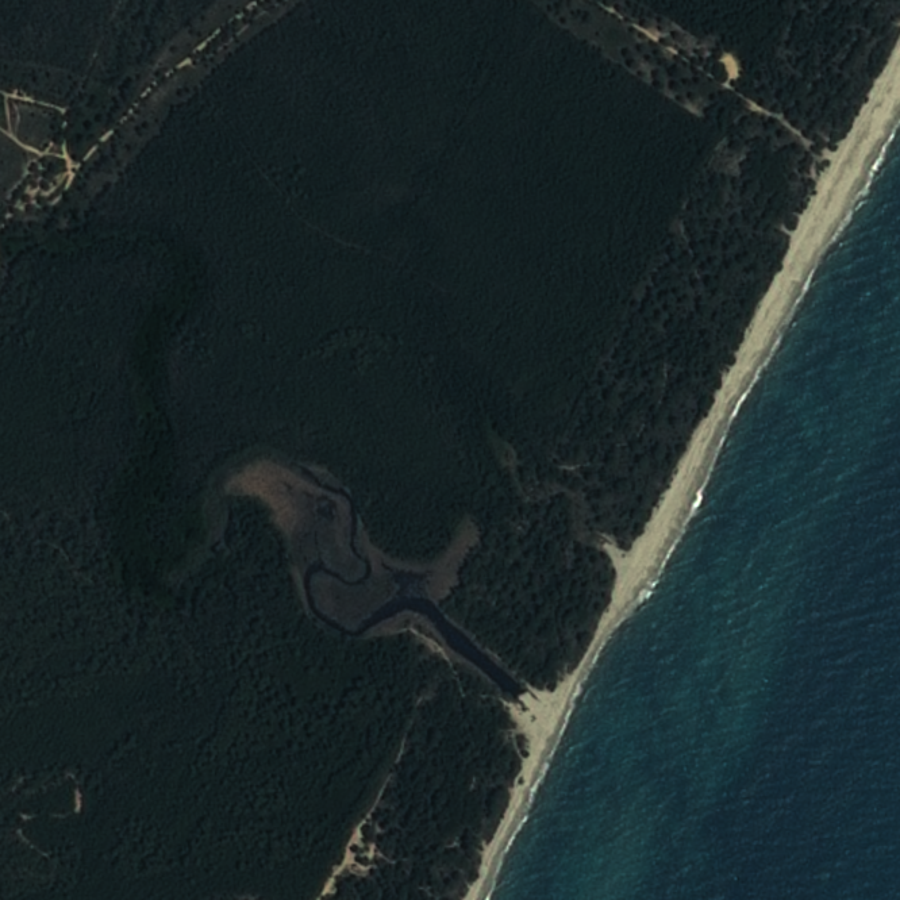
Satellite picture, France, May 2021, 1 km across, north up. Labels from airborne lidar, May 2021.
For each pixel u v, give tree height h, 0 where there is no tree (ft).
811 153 26
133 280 46
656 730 0
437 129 27
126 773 51
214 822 38
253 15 36
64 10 36
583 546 43
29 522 34
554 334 27
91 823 43
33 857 54
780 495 0
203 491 48
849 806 0
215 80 34
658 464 27
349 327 20
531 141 37
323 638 42
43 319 39
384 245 32
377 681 46
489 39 35
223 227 33
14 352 22
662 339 37
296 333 34
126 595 51
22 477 32
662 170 40
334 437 31
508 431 45
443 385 39
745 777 0
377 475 36
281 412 28
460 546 0
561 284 28
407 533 36
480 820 24
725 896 0
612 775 0
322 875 47
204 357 28
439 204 30
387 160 33
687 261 54
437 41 29
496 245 30
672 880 0
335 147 31
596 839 0
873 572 0
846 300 0
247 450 46
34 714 32
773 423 0
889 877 0
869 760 0
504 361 33
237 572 52
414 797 44
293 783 31
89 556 59
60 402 32
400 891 54
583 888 0
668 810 0
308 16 42
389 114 42
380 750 47
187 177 36
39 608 33
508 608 39
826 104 41
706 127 43
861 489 0
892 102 0
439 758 32
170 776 37
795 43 39
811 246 0
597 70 45
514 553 63
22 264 60
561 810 0
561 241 38
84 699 27
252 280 43
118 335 27
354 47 42
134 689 24
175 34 33
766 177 31
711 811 0
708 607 0
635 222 38
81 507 36
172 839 37
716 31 39
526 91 28
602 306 44
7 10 38
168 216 41
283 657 39
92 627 62
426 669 41
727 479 0
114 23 38
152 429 47
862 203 0
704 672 0
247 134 37
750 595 0
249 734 54
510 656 30
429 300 36
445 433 40
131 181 35
